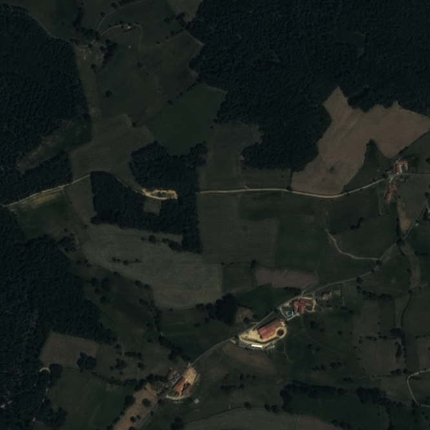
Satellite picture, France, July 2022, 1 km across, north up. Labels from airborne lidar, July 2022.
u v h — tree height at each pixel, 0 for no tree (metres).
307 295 0
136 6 0
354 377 0
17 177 12
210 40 17
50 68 21
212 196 0
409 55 20
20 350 21
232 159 0
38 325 12
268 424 0
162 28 0
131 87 0
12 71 11
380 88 12
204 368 0
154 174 16
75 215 0
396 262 0
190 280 0
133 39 0
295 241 0
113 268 0
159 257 0
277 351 0
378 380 0
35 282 23
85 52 0
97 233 0
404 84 18
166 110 0
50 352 0
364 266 0
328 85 17
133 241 0
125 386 11
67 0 0
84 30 14
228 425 0
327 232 0
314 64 19
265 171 0
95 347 0
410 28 20
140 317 0
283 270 0
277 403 0
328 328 0
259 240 0
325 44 13
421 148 0
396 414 0
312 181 0
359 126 0
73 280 27
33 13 0
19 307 28
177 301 0
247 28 17
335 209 0
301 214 0
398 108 0
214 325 0
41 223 0
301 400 0
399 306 0
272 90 27
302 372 0
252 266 9
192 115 0
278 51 26
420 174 0
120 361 11
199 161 12
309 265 0
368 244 0
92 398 0
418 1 19
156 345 0
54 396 0
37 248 23
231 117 15
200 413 0
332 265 0
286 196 0
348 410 0
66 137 0
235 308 20
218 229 0
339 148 0
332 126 0
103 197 23
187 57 0
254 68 8
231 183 0
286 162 16
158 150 20
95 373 9
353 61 13
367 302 0
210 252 0
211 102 0
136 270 0
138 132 0
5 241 26
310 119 19
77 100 27
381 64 15
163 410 0
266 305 0
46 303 18
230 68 31
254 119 15
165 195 0
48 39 11
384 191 0
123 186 13
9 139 12
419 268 0
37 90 15
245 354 0
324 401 0
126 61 0
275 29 15
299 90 18
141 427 0
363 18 20
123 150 0
